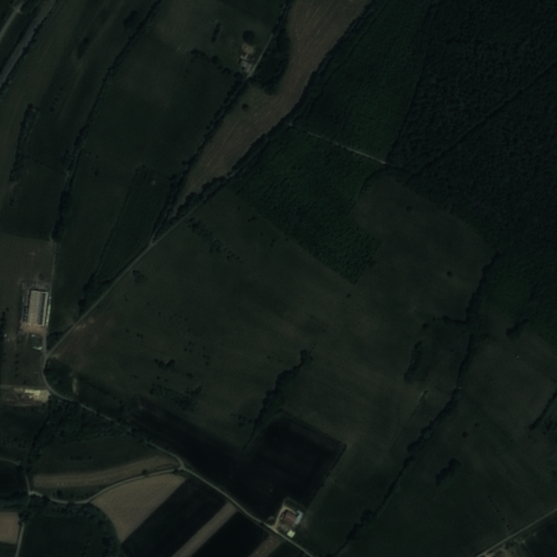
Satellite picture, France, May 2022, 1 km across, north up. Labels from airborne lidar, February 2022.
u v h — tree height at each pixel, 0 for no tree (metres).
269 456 0
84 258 0
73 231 0
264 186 6
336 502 0
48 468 0
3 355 0
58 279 0
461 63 23
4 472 0
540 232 21
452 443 0
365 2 0
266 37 0
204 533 0
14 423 0
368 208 0
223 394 0
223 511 0
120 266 0
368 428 0
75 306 0
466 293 0
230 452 0
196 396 7
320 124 9
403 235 0
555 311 7
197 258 0
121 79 0
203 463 0
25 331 0
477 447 0
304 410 0
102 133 0
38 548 0
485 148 23
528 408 0
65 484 0
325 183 7
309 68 0
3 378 0
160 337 0
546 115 22
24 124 8
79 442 8
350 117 6
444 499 0
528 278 10
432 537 0
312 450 0
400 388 0
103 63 0
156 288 0
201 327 0
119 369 0
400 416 0
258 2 0
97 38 0
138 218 0
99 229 0
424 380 0
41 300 0
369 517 19
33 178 0
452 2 17
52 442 12
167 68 0
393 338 0
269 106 0
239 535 0
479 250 0
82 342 0
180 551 0
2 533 0
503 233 21
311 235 5
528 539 0
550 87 23
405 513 0
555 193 21
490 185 23
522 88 15
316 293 0
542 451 0
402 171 15
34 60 0
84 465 0
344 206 6
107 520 15
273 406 18
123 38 0
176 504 0
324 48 0
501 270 11
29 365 0
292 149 7
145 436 6
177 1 0
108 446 0
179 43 0
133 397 0
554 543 0
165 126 0
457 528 0
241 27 0
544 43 20
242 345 0
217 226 0
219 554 0
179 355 0
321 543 0
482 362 0
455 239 0
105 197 0
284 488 0
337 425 0
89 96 0
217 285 0
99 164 0
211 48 0
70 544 0
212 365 0
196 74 0
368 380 0
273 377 0
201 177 0
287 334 0
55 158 0
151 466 0
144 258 0
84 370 0
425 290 0
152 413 0
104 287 6
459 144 21
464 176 21
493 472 0
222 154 0
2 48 0
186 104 0
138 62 0
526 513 0
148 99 0
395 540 0
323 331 0
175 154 0
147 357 0
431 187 19
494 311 0
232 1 0
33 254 0
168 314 0
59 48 0
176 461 0
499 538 0
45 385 0
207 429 0
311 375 0
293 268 0
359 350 0
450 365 0
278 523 0
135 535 0
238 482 0
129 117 0
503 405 0
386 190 0
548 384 0
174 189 13
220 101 0
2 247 0
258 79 5
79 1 0
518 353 0
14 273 0
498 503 0
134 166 0
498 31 17
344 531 0
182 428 0
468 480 0
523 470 0
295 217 10
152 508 0
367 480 0
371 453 0
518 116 23
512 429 0
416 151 21
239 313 0
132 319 0
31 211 0
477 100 22
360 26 8
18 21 0
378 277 0
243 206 0
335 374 0
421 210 0
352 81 7
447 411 13
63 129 0
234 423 0
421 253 0
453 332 0
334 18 0
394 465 0
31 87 0
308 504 0
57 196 0
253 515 0
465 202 22
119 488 0
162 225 9
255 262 0
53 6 0
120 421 8
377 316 0
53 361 0
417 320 0
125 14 0
